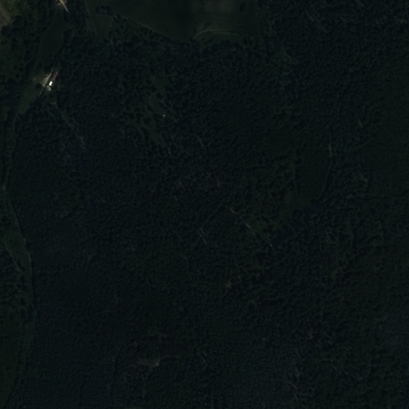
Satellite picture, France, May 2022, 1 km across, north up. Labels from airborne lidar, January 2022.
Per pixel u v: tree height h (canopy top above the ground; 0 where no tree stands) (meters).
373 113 14
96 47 0
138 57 26
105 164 22
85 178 23
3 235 20
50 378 16
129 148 22
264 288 33
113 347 14
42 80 0
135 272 23
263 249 31
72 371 19
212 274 21
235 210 27
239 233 29
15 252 0
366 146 14
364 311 30
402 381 35
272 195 31
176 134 28
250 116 28
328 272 19
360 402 23
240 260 30
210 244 20
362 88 24
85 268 18
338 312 31
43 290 23
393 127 18
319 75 23
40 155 17
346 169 21
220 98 24
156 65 25
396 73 19
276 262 34
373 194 22
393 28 14
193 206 19
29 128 22
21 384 17
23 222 21
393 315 21
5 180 18
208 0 0
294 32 23
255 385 19
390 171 19
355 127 18
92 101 22
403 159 19
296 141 13
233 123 26
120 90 12
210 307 18
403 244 28
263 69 23
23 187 12
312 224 25
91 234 17
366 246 17
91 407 23
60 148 12
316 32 23
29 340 21
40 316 23
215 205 21
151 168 24
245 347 17
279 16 22
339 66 21
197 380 29
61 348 20
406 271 32
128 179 15
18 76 9
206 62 25
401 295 20
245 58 26
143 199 18
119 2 0
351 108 20
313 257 22
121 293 15
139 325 17
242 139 27
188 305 25
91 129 21
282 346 24
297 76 30
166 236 25
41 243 17
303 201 0
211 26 0
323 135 16
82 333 15
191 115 27
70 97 18
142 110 26
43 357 21
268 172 29
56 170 8
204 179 24
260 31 0
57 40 0
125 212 20
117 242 19
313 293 25
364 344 21
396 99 19
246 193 11
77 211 22
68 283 19
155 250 21
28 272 0
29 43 23
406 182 20
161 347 18
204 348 6
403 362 19
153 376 16
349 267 15
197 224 20
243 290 25
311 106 19
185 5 0
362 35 25
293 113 27
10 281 27
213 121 27
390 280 27
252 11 0
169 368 20
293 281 29
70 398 19
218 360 25
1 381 12
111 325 14
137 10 0
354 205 22
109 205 17
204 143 27
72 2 15
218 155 28
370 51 26
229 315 19
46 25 12
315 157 14
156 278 21
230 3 0
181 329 24
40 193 15
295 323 27
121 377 15
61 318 17
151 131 0
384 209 15
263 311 30
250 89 26
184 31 0
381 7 23
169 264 25
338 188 22
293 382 17
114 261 22
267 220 30
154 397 17
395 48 26
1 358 19
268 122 27
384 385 29
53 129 18
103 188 15
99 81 19
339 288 26
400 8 13
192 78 28
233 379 17
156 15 0
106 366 17
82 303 15
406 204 25
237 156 24
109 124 17
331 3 25
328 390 25
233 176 29
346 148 20
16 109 24
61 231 17
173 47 25
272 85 27
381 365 27
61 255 16
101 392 28
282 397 19
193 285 19
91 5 0
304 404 21
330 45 23
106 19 0
